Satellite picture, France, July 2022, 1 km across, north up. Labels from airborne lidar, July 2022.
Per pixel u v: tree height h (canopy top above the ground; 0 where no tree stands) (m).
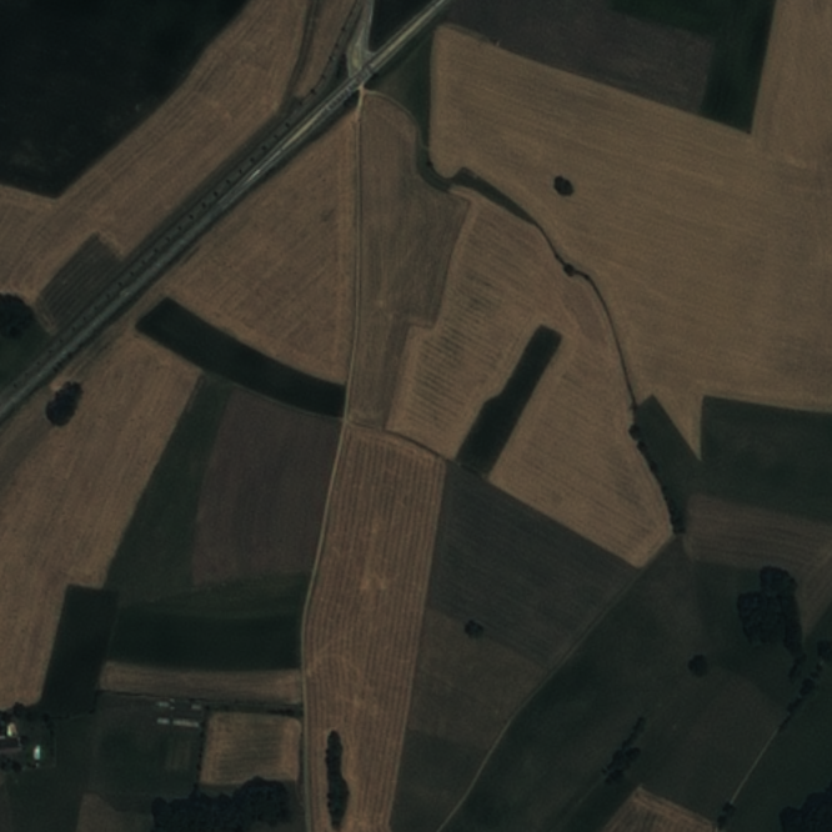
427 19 0
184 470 0
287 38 0
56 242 0
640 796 0
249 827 10
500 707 0
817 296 0
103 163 0
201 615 0
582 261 0
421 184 0
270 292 0
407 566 0
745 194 0
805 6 0
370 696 0
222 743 0
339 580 0
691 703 0
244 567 0
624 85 0
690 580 0
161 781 0
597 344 0
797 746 0
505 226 0
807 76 0
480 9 0
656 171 0
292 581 0
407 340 0
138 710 0
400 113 0
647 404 0
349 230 0
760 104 0
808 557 0
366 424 0
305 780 0
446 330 0
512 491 0
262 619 0
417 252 0
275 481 0
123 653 0
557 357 0
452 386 0
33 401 0
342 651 0
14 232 0
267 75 0
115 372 0
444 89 0
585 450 0
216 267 0
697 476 0
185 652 0
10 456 0
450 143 0
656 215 0
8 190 0
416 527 0
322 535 0
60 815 0
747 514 0
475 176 0
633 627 0
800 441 0
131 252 0
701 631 0
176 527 0
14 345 0
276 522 0
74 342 0
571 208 0
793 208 0
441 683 0
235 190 0
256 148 0
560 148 0
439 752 0
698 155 0
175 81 0
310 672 0
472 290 0
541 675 0
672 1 0
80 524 0
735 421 0
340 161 0
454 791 0
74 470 0
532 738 0
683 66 0
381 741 0
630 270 0
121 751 0
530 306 0
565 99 0
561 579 0
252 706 0
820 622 0
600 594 0
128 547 0
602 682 0
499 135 0
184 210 0
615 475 0
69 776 0
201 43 0
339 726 0
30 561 0
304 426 0
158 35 0
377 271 0
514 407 0
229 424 0
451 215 0
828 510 0
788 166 0
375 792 0
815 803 18
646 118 0
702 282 0
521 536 0
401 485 0
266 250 0
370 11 0
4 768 8
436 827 0
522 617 0
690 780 0
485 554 0
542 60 0
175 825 18
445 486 0
